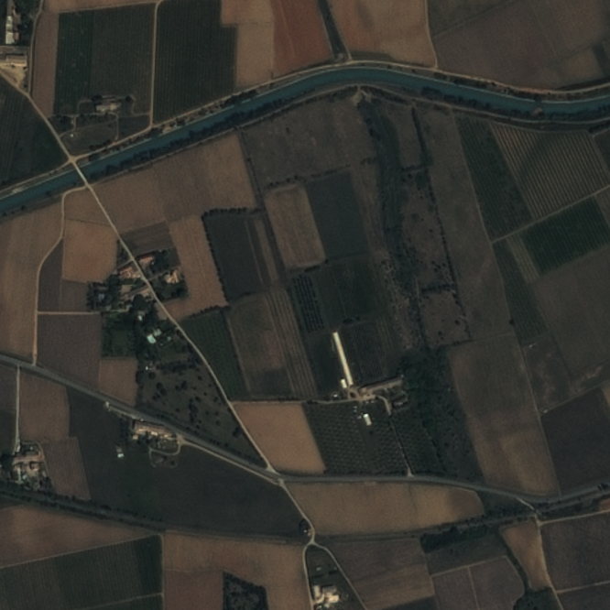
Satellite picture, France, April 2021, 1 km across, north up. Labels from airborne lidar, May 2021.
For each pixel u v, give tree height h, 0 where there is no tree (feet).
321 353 0
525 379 0
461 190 0
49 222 0
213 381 23
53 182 0
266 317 0
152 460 0
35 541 0
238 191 0
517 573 0
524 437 0
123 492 0
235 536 0
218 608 0
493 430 0
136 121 0
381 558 0
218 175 0
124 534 0
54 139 0
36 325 0
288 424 0
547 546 0
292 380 0
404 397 18
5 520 0
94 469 0
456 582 0
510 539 0
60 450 0
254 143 0
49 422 0
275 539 0
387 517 0
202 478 0
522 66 0
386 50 0
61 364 0
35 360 0
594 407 0
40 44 0
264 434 0
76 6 0
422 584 0
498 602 0
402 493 0
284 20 0
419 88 0
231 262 0
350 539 0
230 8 0
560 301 0
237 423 23
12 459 27
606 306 0
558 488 0
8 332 0
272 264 0
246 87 0
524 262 0
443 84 0
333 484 0
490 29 0
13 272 0
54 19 0
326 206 0
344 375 0
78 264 0
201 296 0
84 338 0
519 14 0
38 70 0
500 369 0
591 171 0
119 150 31
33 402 0
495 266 0
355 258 0
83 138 0
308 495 0
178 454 0
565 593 0
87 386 0
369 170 0
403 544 0
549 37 0
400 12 0
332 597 0
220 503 0
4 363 0
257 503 0
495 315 0
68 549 0
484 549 0
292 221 0
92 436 0
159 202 0
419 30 0
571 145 0
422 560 0
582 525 0
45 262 0
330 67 0
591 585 0
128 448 18
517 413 0
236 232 0
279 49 0
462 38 0
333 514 0
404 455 25
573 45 0
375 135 34
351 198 0
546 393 0
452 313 0
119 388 0
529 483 0
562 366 0
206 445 0
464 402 0
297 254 0
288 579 0
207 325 0
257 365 0
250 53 0
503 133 0
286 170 0
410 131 0
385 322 0
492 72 0
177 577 0
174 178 0
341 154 0
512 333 0
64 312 0
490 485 0
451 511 0
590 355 0
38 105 0
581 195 0
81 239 0
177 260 0
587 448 0
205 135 30
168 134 0
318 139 0
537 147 0
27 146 0
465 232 0
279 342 0
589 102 0
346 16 0
